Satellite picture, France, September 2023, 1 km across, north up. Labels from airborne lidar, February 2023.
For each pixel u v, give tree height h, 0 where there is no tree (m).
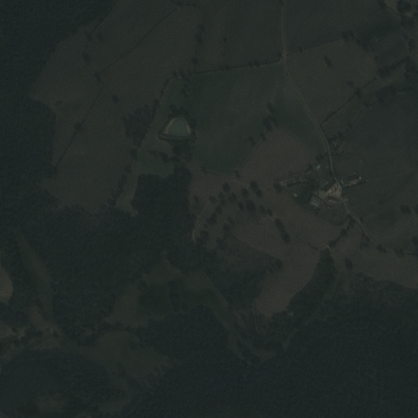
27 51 19
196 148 0
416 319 16
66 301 18
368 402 21
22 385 7
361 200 0
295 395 16
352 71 0
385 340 15
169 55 0
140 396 11
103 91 0
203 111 0
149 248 16
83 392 21
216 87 0
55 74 0
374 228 0
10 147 26
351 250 0
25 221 10
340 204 0
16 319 20
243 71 0
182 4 9
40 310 0
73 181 0
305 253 0
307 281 0
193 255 16
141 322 0
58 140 0
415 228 0
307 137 0
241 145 0
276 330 6
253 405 20
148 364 0
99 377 14
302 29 0
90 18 20
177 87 0
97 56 0
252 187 13
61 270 19
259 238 0
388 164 0
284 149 0
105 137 0
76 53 0
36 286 0
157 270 0
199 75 0
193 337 18
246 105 0
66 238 18
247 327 0
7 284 0
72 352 0
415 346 17
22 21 22
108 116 0
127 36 0
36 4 19
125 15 0
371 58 0
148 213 20
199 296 0
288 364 17
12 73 18
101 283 16
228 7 0
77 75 0
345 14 0
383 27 0
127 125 11
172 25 0
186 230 12
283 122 0
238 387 22
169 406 15
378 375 16
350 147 0
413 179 0
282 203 0
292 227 0
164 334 19
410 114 0
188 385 21
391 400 19
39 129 21
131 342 0
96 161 0
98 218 9
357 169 0
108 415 9
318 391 20
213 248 0
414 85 13
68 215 16
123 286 19
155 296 0
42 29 20
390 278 0
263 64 0
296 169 0
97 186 0
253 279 8
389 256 0
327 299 0
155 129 0
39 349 0
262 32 0
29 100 12
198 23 0
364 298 16
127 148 0
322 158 12
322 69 0
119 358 0
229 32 0
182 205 14
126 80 0
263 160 0
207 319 18
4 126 20
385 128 0
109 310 21
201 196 0
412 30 0
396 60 0
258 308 0
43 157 10
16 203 15
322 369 19
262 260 0
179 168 7
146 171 0
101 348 0
